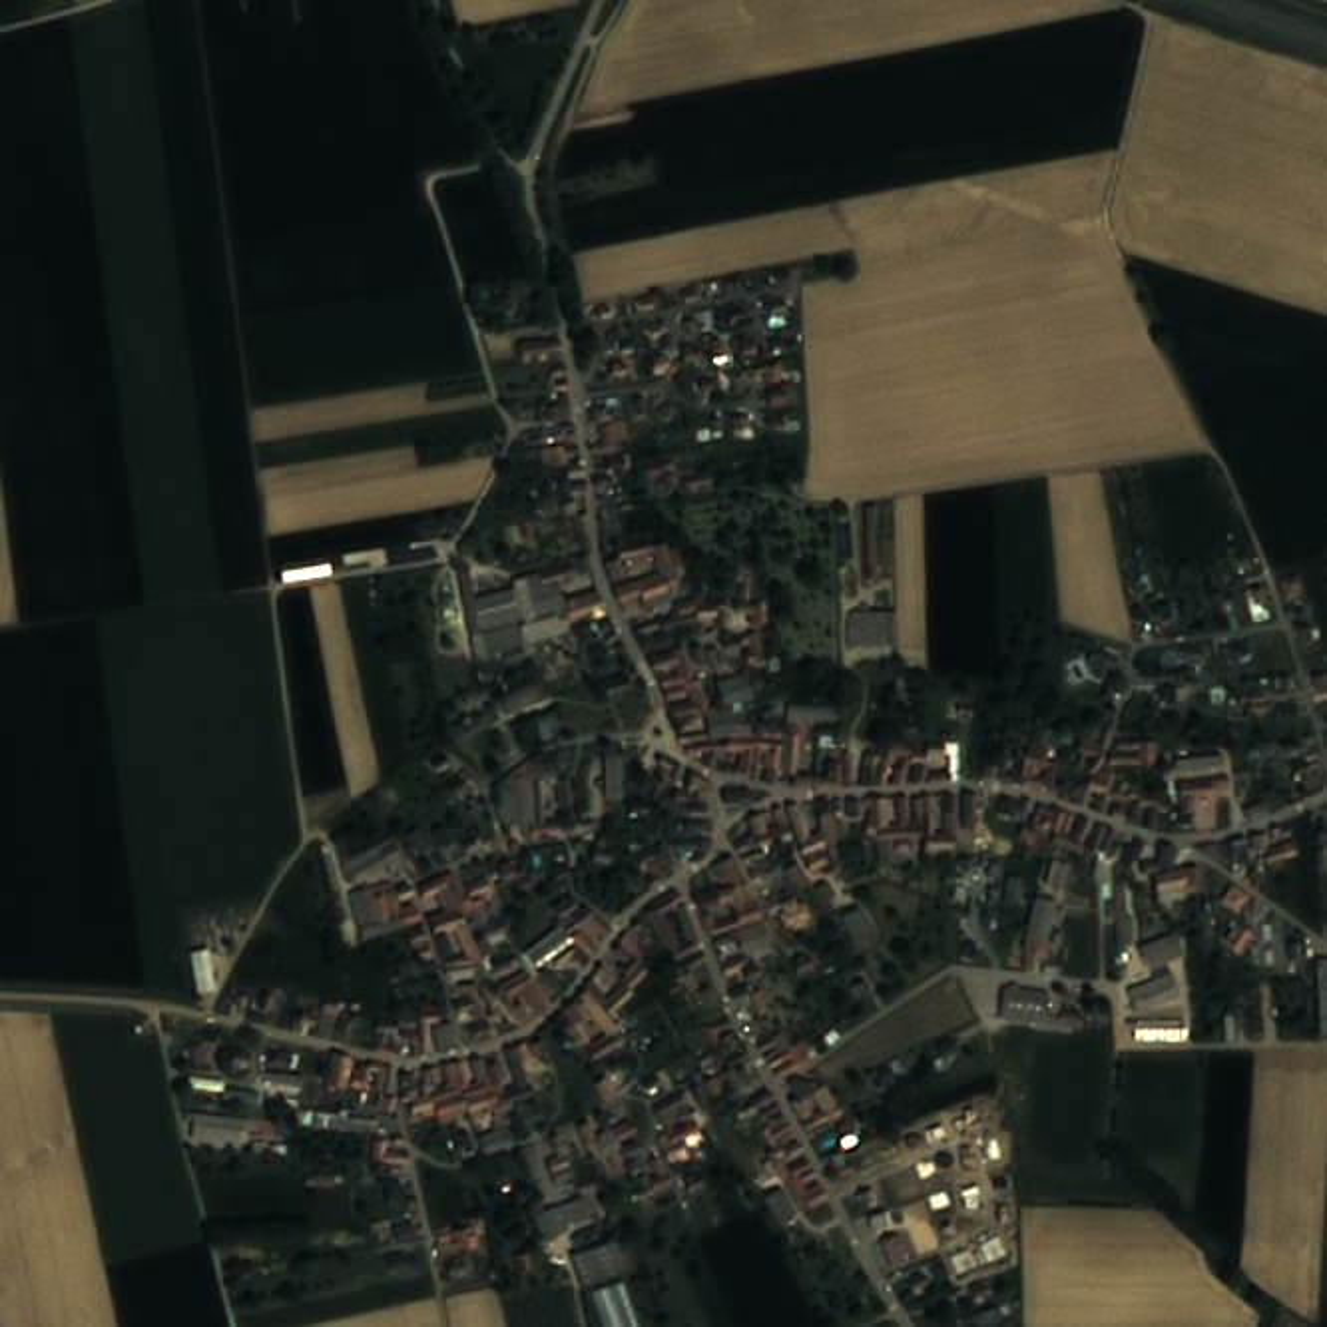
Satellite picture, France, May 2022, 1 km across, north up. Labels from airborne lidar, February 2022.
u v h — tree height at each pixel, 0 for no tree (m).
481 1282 0
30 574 0
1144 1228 0
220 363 0
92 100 0
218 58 0
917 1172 0
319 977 0
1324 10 0
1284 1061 0
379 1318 0
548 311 12
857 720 0
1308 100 0
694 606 0
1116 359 0
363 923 0
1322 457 0
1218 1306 0
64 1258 0
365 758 0
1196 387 0
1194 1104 0
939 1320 12
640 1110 0
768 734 0
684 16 0
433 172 0
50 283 0
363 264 0
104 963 0
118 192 0
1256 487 0
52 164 0
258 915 0
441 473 0
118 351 0
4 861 0
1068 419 0
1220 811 0
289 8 0
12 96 0
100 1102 0
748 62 0
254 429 0
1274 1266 0
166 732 0
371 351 0
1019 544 0
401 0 0
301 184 0
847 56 0
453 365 0
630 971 0
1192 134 0
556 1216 0
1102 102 0
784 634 0
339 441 0
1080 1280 0
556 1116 0
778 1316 0
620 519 0
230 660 0
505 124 14
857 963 7
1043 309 0
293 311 0
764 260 0
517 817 0
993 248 0
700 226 0
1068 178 0
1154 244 0
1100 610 0
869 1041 0
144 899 0
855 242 0
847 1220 0
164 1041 0
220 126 0
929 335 0
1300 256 0
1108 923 0
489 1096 0
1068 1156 0
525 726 10
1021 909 0
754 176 0
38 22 0
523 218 16
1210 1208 0
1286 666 0
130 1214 0
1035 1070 0
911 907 0
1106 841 0
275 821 0
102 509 0
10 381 0
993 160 0
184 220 0
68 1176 0
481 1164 14
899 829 0
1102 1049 0
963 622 0
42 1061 0
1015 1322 0
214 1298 0
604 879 8
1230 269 0
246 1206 0
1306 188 0
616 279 0
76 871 0
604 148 0
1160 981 0
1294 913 0
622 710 0
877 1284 0
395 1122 0
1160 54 0
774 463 7
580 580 0
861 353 0
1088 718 12
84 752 0
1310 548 0
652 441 0
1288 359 0
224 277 0
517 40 6
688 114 0
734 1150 11
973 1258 0
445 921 0
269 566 0
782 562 14
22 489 0
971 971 0
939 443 0
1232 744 10
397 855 0
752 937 0
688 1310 0
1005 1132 0
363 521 0
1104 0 0
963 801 0
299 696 0
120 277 0
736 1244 0
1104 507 0
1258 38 0
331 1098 0
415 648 0
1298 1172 0
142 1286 0
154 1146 0
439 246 0
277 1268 0
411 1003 7
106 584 0
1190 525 0
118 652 0
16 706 0
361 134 0
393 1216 0
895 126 0
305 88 0
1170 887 0
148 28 0
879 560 0
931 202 0
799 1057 0
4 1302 0
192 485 0
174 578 0
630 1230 12
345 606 0
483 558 7
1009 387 0
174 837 0
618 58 0
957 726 0
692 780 0
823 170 0
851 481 0
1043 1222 0
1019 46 0
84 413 0
